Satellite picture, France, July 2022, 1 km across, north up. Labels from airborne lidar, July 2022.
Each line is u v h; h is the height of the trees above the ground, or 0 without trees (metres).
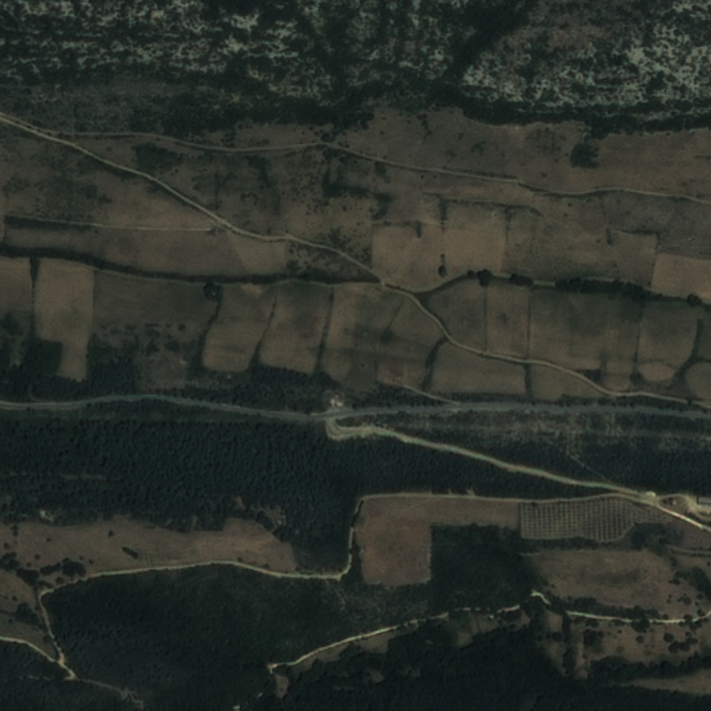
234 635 11
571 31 0
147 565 0
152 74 7
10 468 9
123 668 6
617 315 0
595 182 0
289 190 0
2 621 0
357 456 10
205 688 11
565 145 0
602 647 0
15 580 0
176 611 11
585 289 10
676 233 0
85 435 12
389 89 8
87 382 6
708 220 0
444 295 0
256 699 15
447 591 7
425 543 0
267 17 7
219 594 6
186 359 0
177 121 6
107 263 7
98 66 6
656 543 0
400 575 0
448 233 0
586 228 0
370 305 0
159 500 13
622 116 9
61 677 9
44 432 14
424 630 14
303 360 0
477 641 12
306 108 9
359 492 7
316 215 0
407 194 0
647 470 8
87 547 0
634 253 0
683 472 6
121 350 0
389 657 13
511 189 0
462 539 8
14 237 0
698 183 0
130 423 12
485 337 0
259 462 15
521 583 9
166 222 0
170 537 0
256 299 0
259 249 0
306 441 11
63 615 13
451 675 14
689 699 10
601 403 7
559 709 12
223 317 0
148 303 0
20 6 6
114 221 0
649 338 0
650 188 0
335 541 9
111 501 10
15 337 0
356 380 0
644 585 0
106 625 7
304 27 8
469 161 0
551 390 0
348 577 6
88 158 6
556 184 0
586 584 0
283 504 12
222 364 0
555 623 0
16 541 0
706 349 0
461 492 6
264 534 0
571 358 0
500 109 8
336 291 0
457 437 6
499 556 9
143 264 0
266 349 0
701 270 0
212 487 13
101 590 9
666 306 0
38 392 10
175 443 16
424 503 0
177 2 0
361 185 0
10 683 12
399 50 6
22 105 6
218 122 8
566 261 0
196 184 0
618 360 0
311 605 7
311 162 0
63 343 0
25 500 9
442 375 0
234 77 5
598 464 6
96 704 9
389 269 0
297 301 0
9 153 0
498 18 7
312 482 9
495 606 8
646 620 10
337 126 8
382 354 0
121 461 11
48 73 6
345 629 6
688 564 0
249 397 10
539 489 8
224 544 0
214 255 0
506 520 0
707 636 0
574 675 10
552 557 0
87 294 0
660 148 0
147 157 0
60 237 0
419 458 8
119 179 0
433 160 0
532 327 0
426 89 7
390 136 0
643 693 9
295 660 9
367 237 0
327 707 11
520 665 9
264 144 0
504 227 0
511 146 0
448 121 0
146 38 5
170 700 6
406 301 0
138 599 8
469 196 0
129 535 0
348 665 17
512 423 0
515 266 0
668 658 0
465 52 8
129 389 11
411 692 11
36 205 0
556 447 6
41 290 0
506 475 8
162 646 9
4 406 0
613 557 0
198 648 16
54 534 0
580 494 8
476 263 0
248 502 14
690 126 8
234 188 0
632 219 0
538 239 0
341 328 0
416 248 0
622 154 0
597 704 15
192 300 0
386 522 0
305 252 0
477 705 14
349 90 6
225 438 9
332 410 0
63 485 10
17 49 6
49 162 0
